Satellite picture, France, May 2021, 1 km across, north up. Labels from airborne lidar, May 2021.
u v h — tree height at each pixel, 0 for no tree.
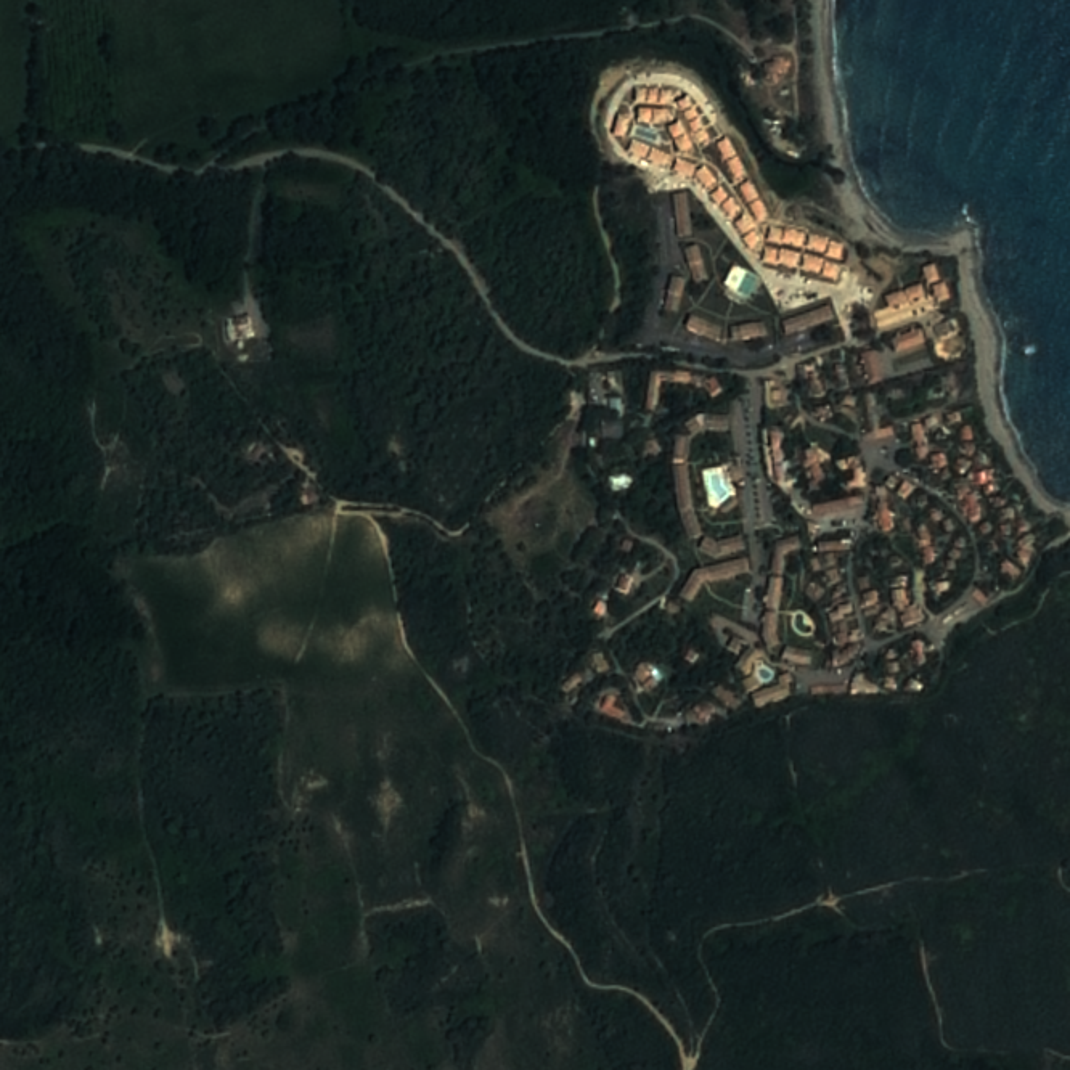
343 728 0
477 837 0
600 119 0
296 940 0
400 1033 0
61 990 6
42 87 15
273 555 0
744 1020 6
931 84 0
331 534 0
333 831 0
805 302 0
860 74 0
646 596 10
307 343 0
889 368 0
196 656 0
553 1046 0
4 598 22
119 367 0
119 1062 7
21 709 8
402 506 6
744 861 8
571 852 10
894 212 0
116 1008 7
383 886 0
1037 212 0
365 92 10
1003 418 0
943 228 0
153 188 23
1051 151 0
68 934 7
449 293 9
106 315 8
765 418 12
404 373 9
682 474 0
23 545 13
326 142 12
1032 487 0
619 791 7
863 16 0
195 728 5
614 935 0
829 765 0
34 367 7
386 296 8
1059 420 0
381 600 0
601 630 7
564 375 7
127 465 0
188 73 0
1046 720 0
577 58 21
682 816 8
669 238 0
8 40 0
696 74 0
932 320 0
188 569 0
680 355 10
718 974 6
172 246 20
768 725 5
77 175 27
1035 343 0
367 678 0
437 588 8
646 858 0
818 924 7
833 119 0
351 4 13
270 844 11
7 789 7
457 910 0
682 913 6
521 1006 0
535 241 9
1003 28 0
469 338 10
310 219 18
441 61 11
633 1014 7
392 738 0
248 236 11
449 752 0
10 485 19
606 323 15
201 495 9
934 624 0
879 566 12
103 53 10
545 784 0
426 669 0
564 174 13
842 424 9
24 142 15
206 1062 0
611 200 7
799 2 8
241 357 0
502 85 24
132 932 0
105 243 9
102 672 7
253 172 14
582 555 10
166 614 0
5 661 11
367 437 10
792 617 0
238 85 0
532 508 0
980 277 0
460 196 15
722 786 6
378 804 0
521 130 14
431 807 0
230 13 0
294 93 0
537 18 14
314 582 0
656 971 6
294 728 0
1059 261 0
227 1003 8
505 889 0
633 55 0
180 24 0
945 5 0
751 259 0
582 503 0
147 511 8
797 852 6
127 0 0
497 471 9
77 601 25
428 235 10
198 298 0
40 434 7
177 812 8
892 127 0
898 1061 6
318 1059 0
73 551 19
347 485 8
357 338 9
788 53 0
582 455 10
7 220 18
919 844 0
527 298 6
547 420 9
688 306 0
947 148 0
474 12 18
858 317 19
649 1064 6
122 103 0
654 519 7
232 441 19
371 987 0
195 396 6
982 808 0
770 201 0
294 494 10
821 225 11
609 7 8
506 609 9
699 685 10
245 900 6
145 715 8
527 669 8
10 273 20
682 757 6
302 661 0
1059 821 0
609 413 14
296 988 0
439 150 11
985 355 0
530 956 0
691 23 14
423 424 9
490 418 9
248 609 0
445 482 0
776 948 7
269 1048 0
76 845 7
